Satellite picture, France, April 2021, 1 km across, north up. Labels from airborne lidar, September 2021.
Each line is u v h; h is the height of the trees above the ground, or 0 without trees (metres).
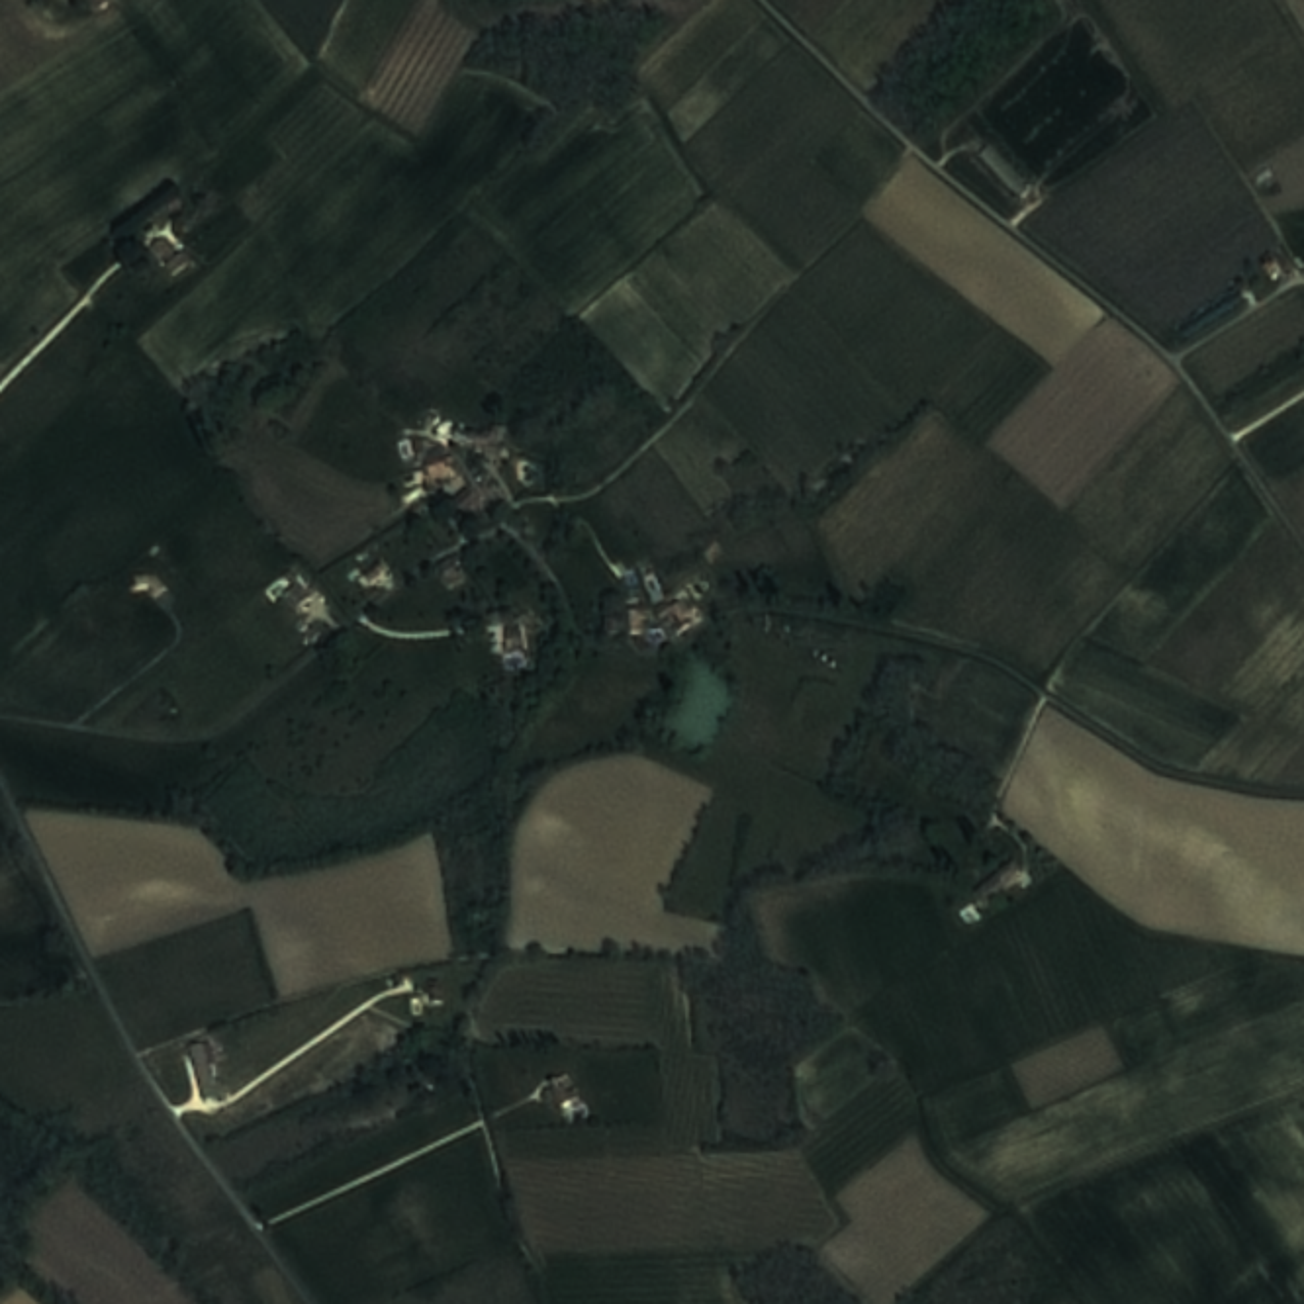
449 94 0
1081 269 0
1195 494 0
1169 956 0
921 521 0
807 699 0
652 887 0
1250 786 0
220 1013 0
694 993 12
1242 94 0
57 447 0
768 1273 14
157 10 0
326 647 9
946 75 22
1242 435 0
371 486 0
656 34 19
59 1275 0
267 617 0
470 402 0
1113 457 0
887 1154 0
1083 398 0
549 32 17
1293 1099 0
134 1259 0
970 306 0
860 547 0
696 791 0
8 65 0
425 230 0
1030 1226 0
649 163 0
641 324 0
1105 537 0
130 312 0
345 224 0
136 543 0
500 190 0
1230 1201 0
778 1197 0
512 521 13
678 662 8
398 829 6
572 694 0
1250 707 0
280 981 0
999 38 26
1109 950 0
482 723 10
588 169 0
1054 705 0
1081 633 0
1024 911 0
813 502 11
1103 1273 0
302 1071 0
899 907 0
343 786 0
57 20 0
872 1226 0
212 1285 0
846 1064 0
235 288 0
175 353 0
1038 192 0
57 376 0
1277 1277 0
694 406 0
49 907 0
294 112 0
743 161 0
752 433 0
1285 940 0
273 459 0
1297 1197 0
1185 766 0
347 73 0
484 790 11
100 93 0
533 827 0
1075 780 0
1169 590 0
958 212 0
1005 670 0
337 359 0
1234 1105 0
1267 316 0
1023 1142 0
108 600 0
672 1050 0
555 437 15
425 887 0
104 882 0
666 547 0
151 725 0
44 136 0
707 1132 0
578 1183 0
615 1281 0
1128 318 0
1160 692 0
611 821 0
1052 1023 0
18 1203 22
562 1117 7
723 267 0
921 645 0
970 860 0
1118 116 0
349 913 0
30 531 0
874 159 0
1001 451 0
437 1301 0
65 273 0
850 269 0
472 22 0
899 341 0
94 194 0
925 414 11
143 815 6
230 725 0
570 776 0
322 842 6
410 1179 0
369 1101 13
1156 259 0
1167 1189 0
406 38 0
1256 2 0
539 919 0
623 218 0
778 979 14
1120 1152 0
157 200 12
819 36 0
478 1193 0
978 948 0
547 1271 0
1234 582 0
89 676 0
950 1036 0
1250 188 0
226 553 0
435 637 0
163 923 0
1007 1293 0
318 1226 0
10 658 0
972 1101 0
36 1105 0
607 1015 0
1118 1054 0
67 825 0
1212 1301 0
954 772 19
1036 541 0
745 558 0
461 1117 0
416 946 0
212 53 0
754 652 0
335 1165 0
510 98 0
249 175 0
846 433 0
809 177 0
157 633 0
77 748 0
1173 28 0
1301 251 0
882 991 0
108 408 0
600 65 21
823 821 0
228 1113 0
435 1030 8
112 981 0
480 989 10
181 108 0
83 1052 0
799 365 0
